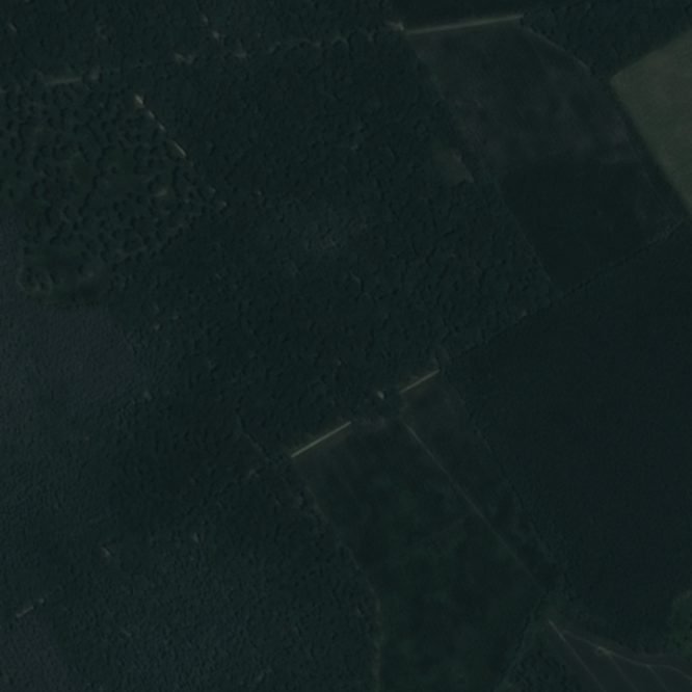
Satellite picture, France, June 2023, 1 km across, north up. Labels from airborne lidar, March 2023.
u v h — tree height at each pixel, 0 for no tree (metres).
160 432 25
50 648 18
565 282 9
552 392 15
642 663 0
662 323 16
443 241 27
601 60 26
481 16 10
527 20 15
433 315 23
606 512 17
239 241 27
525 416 16
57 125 27
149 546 22
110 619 18
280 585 26
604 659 0
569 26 26
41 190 25
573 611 20
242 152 25
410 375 24
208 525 23
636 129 7
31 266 0
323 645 23
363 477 0
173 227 26
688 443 14
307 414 28
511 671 13
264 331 26
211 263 27
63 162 25
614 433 15
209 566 22
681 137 0
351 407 26
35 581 22
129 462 25
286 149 23
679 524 15
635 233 6
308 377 27
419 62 24
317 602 21
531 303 24
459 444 0
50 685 17
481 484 0
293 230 20
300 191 25
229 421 24
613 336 15
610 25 28
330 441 0
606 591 15
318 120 25
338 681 23
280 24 19
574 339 14
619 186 6
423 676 0
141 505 27
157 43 21
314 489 0
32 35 30
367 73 27
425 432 0
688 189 0
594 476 15
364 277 27
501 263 24
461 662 0
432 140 26
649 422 14
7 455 18
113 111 25
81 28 25
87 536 20
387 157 28
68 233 28
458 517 0
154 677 19
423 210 28
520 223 8
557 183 7
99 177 0
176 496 26
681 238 17
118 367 16
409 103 22
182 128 24
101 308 18
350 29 25
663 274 17
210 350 26
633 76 0
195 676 18
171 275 22
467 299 25
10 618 16
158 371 15
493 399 15
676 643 16
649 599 16
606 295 15
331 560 25
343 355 26
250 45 19
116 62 23
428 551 0
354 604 26
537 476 15
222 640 22
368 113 25
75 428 17
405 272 24
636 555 16
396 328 23
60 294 0
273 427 26
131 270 25
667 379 16
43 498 20
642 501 15
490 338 19
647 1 19
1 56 24
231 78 23
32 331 15
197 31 20
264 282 23
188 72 24
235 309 26
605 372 13
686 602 0
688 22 19
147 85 21
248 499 29
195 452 26
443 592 0
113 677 18
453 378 14
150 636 11
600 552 17
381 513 0
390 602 0
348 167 23
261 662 17
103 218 28
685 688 0
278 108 22
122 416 20
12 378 21
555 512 16
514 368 16
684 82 0
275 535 26
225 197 28
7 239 17
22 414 20
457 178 0
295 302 23
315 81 26
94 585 19
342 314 27
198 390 24
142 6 23
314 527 26
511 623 6
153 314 23
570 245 8
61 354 17
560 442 15
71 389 13
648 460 14
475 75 0
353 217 22
